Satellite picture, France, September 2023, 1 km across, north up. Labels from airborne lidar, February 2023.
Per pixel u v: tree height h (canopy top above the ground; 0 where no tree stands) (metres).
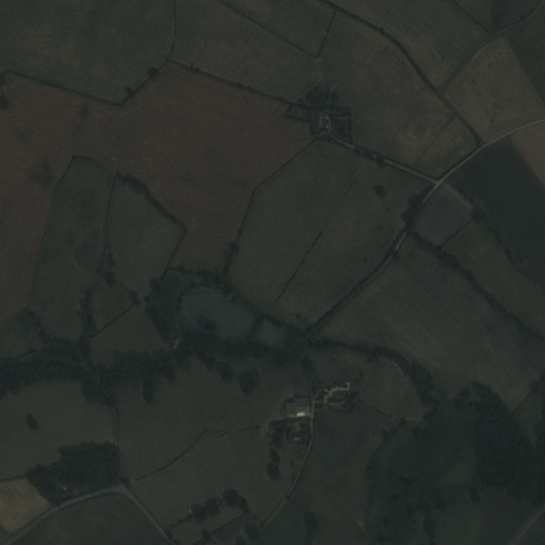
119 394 0
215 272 0
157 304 0
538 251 0
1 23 0
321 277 0
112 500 0
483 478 20
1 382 18
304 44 0
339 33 0
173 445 0
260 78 0
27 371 20
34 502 0
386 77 0
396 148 0
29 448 0
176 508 0
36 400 0
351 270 0
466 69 0
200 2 0
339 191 0
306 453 0
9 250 0
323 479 0
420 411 0
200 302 0
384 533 0
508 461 37
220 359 0
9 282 0
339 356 0
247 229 0
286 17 0
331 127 0
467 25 0
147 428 0
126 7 0
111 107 0
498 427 37
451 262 10
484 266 0
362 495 0
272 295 0
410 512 14
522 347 0
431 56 0
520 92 0
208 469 0
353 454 0
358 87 0
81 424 0
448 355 0
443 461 0
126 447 0
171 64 0
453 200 0
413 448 0
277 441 15
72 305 0
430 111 0
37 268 0
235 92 0
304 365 18
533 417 0
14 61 0
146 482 0
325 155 0
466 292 0
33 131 0
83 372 22
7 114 0
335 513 0
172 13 0
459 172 0
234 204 0
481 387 15
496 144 0
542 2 0
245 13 0
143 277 0
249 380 20
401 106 0
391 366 0
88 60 0
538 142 0
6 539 0
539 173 0
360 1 0
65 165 0
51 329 0
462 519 0
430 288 0
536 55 0
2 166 0
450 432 0
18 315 0
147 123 0
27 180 0
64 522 0
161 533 0
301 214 0
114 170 0
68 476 12
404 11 0
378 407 0
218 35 0
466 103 0
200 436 0
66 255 0
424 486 0
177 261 0
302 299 0
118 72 0
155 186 0
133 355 0
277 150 0
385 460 0
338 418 0
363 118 0
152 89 0
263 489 0
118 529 0
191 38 0
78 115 0
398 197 0
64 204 0
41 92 0
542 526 0
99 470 15
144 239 0
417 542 0
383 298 0
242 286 0
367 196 0
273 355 15
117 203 0
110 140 0
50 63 0
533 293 0
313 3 0
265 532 0
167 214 14
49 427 0
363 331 0
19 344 0
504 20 0
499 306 8
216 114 0
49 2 0
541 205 0
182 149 0
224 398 0
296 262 0
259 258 0
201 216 0
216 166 0
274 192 0
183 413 0
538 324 0
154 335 0
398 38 0
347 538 0
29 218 0
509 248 0
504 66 0
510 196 0
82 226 0
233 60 0
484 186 0
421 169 0
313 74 0
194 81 0
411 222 18
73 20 0
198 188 0
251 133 0
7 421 0
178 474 0
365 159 9
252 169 0
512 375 0
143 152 0
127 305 0
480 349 0
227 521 0
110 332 0
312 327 6
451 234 0
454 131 0
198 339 25
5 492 0
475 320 0
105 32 0
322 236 0
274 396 0
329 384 0
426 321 0
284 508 0
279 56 0
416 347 0
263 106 0
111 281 16
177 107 0
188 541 0
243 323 0
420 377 17
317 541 0
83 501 0
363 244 0
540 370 0
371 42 0
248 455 0
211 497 0
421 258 0
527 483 33
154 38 0
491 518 0
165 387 0
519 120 0
